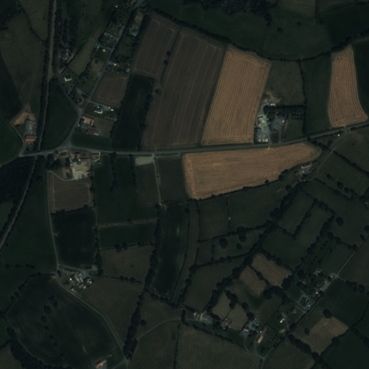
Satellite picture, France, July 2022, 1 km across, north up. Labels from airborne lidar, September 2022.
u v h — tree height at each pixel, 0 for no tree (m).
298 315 0
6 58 0
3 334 0
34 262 0
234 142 0
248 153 0
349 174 0
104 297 0
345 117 0
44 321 15
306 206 0
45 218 0
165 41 0
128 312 0
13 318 0
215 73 0
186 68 0
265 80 0
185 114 0
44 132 10
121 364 0
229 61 0
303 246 0
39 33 0
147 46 0
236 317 0
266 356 0
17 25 0
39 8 0
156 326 0
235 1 16
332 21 0
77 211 6
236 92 0
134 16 13
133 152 0
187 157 0
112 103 0
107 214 0
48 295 0
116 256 0
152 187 0
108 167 0
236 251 0
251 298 0
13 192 21
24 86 0
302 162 0
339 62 0
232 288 0
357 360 0
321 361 19
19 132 0
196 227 0
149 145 0
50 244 0
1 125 0
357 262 0
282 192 0
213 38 9
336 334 0
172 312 0
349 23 0
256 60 0
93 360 0
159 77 0
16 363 0
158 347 0
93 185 7
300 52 0
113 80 0
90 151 0
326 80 0
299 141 0
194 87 0
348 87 0
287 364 0
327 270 0
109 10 0
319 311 0
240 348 0
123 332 0
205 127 0
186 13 0
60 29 11
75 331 0
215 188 0
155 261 17
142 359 0
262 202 0
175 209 0
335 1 0
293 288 0
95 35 0
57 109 0
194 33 0
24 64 0
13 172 22
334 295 0
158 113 0
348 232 0
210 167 0
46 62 12
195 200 10
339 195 10
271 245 0
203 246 0
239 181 0
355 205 0
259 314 0
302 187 10
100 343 0
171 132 0
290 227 0
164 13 8
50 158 19
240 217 0
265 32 0
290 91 0
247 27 0
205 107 0
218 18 0
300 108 9
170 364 0
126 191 0
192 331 0
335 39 0
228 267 0
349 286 13
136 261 0
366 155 0
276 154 0
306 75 0
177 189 0
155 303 0
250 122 0
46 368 15
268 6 7
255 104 0
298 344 19
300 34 0
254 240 0
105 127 0
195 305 0
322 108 0
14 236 0
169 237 0
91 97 0
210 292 0
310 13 0
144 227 0
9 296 0
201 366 0
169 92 0
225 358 0
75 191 0
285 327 0
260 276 17
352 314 0
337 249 0
